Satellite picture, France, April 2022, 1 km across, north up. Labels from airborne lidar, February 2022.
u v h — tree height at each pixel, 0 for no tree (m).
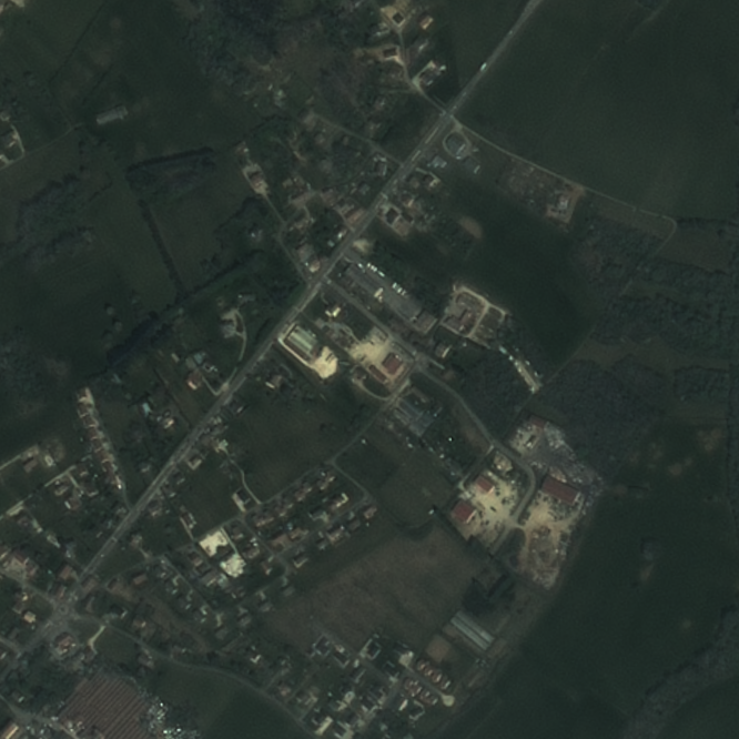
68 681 7
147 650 0
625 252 7
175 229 0
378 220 0
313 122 0
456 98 0
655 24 0
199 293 12
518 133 0
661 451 0
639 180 0
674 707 16
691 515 0
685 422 0
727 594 0
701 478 0
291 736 0
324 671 0
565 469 0
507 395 9
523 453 0
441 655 0
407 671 0
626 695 0
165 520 0
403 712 0
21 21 0
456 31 0
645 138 0
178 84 0
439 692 0
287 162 7
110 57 0
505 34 0
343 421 0
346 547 0
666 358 0
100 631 0
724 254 0
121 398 9
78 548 0
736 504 12
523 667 0
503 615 0
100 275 0
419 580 0
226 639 0
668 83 0
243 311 7
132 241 0
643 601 0
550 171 0
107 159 0
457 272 0
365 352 0
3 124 0
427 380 0
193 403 0
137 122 0
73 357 0
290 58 0
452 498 0
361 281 0
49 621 0
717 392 10
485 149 0
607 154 0
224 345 0
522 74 0
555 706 0
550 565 0
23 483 0
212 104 0
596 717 0
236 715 0
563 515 0
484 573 0
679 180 0
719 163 0
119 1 0
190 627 0
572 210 0
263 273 0
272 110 0
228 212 0
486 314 0
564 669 0
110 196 0
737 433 18
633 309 5
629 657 0
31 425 0
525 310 0
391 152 0
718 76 0
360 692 0
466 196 0
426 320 0
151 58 0
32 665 15
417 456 0
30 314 0
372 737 0
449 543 0
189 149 0
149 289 0
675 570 0
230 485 0
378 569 0
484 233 0
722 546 0
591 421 10
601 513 0
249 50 8
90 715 0
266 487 0
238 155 0
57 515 0
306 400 7
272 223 11
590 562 0
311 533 0
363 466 0
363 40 10
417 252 0
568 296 0
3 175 0
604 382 12
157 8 0
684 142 0
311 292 0
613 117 0
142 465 0
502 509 0
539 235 0
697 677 19
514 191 0
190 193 0
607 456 17
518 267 0
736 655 22
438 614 0
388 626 0
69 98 0
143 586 0
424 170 0
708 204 0
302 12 0
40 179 0
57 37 0
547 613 0
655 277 14
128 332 0
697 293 15
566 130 0
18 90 0
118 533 0
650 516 0
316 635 0
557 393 10
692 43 0
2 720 0
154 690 0
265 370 0
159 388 13
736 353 15
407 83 0
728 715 0
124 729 0
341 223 10
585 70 0
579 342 0
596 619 0
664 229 0
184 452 0
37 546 0
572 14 0
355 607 0
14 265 0
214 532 0
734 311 17
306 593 0
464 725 0
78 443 0
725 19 0
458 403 0
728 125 0
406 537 0
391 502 0
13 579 0
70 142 0
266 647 0
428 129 0
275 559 0
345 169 14
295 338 0
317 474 0
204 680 0
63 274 0
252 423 0
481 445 0
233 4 23
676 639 0
